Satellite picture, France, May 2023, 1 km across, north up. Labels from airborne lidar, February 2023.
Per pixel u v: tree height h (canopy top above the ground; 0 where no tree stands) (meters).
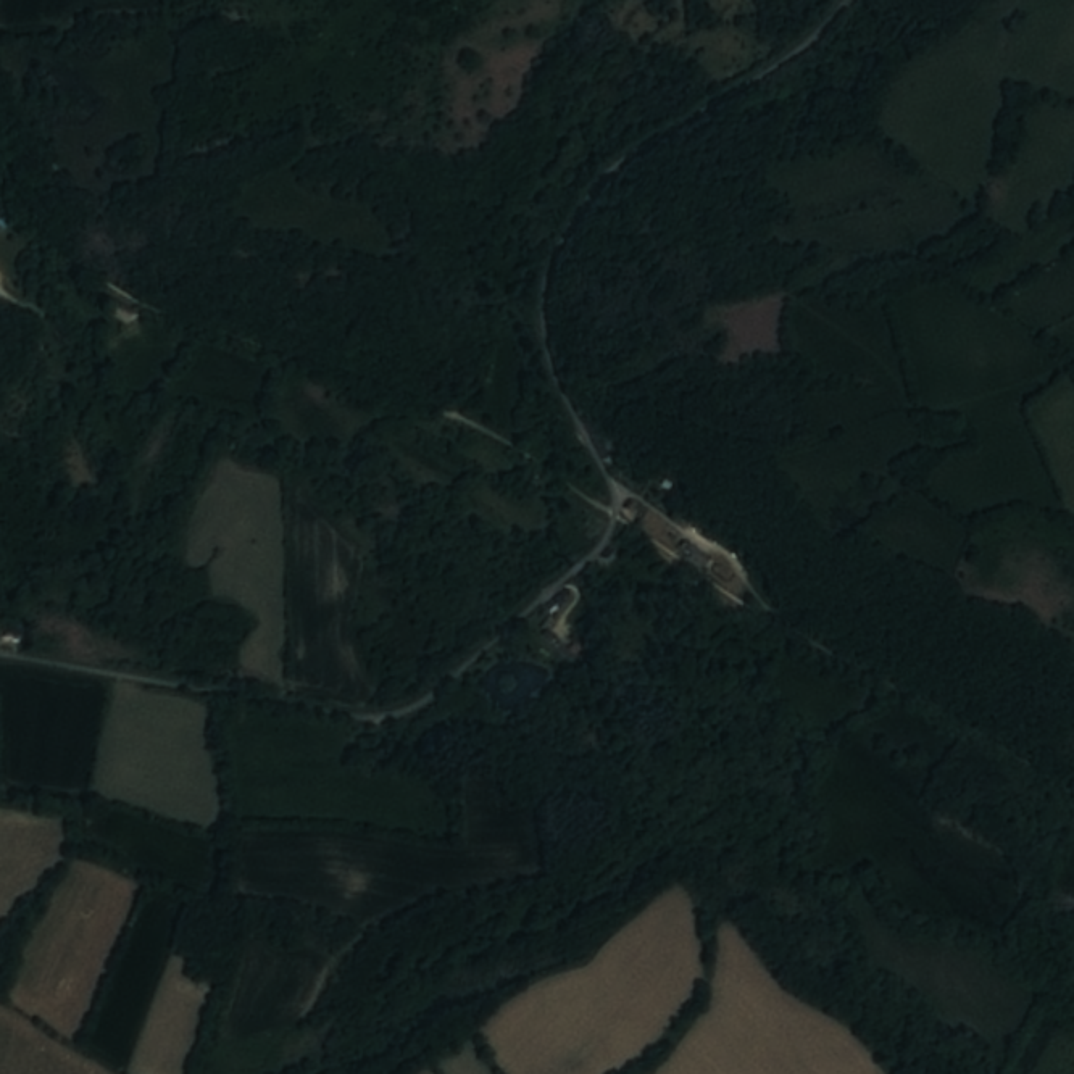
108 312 19
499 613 14
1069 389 0
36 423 6
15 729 0
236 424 14
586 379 6
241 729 0
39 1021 10
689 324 10
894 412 0
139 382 0
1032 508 8
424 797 0
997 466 0
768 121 17
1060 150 0
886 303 11
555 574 11
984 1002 0
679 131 14
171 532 11
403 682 8
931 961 0
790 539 17
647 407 18
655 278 9
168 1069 0
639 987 0
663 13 8
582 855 25
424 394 13
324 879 0
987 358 0
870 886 13
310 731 0
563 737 14
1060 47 0
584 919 21
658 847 10
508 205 19
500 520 0
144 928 0
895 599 14
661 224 12
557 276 12
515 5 0
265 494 0
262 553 0
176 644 13
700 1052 0
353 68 0
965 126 0
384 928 11
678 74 17
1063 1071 0
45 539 10
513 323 8
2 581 7
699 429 16
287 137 13
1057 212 11
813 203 0
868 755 0
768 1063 0
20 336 21
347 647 0
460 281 14
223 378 0
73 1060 0
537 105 16
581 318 6
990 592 0
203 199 11
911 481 16
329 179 9
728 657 10
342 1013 11
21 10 0
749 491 14
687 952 0
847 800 0
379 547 9
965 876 0
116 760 0
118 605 10
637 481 18
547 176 11
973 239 6
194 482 12
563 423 8
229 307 17
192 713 0
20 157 17
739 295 8
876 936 0
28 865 0
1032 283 10
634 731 31
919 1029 8
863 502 0
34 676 0
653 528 0
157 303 19
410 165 12
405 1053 15
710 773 7
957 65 0
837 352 0
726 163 17
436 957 11
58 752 0
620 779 13
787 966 17
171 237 8
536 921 20
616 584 8
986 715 18
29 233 13
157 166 11
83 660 0
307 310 18
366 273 15
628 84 8
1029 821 8
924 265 14
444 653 7
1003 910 0
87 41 8
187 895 14
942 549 0
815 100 18
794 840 8
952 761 10
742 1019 0
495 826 0
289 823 12
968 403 0
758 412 9
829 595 16
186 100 16
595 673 31
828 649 16
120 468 20
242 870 0
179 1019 0
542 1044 0
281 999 0
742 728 18
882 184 0
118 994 0
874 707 16
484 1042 11
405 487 7
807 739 21
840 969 19
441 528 9
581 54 23
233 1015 0
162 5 6
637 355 10
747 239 11
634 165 9
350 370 20
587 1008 0
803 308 0
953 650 16
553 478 16
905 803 0
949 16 14
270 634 0
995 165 11
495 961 18
